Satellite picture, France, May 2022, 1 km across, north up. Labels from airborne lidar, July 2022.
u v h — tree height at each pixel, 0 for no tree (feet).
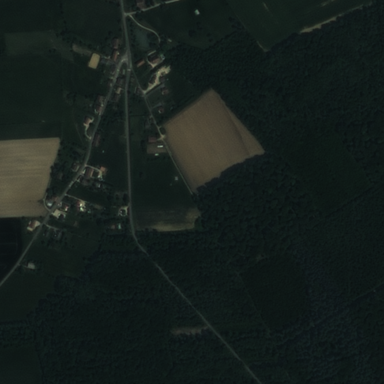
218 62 55
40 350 79
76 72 0
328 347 32
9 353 0
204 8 0
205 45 0
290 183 90
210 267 81
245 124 78
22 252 0
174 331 0
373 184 37
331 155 24
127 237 70
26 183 0
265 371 78
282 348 66
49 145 0
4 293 0
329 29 66
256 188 108
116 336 90
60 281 70
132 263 95
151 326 104
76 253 0
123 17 0
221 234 25
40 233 0
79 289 91
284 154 42
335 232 63
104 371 85
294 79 82
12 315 0
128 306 102
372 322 85
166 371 95
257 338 65
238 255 77
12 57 0
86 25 0
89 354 95
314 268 88
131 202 0
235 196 103
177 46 30
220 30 0
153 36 58
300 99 68
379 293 86
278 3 0
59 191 27
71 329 88
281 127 84
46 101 0
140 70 0
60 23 0
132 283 81
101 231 0
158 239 69
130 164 0
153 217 0
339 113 70
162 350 98
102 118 20
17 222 0
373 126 106
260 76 60
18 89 0
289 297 29
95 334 88
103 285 76
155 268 67
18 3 0
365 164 82
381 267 63
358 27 76
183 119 0
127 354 99
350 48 82
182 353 74
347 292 70
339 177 29
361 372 99
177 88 0
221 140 0
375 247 53
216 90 44
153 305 103
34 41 0
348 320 84
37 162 0
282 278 24
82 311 94
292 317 35
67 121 0
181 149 0
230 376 80
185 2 0
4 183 0
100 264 93
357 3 0
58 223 0
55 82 0
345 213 40
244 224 102
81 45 41
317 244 59
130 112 26
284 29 0
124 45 0
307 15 0
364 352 111
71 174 37
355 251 60
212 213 93
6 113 0
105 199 0
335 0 0
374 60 84
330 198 26
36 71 0
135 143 0
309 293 109
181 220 0
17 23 0
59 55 0
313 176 38
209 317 60
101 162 0
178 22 0
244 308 70
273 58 91
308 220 78
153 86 0
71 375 83
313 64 77
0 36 0
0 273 0
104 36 0
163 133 0
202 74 45
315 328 45
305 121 50
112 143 0
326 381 93
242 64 47
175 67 32
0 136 0
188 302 59
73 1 0
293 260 32
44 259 0
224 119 0
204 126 0
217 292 71
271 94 71
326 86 75
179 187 0
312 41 99
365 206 46
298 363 86
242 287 53
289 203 89
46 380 56
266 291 31
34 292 0
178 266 98
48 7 0
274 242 92
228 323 60
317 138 22
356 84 83
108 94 0
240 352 81
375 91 87
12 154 0
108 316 95
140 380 91
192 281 94
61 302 75
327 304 107
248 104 38
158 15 0
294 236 77
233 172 80
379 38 32
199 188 0
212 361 65
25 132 0
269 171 95
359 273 57
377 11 55
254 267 33
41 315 79
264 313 34
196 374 68
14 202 0
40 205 0
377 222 60
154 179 0
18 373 0
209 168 0
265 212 100
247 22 0
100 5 0
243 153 0
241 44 42
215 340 90
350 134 86
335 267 61
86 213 20
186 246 93
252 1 0
